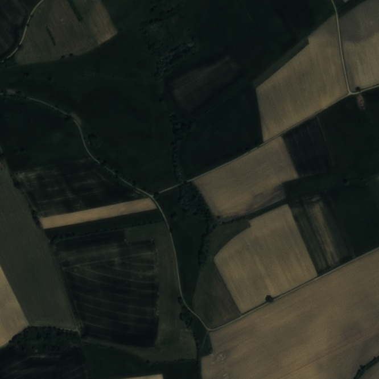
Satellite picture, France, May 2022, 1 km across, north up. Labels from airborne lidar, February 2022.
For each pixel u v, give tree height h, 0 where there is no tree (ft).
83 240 0
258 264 0
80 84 0
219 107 0
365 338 0
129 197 0
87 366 0
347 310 0
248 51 0
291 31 0
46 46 0
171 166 0
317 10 0
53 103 0
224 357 0
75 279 0
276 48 0
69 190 0
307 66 0
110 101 0
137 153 0
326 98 0
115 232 0
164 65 35
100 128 0
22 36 0
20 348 0
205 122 0
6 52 0
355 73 0
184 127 72
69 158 0
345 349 0
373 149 0
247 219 0
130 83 0
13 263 0
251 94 0
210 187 0
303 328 0
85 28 0
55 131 0
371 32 0
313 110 0
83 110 0
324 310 0
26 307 0
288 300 0
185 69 0
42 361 0
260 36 0
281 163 0
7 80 0
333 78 0
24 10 0
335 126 0
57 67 0
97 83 0
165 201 0
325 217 0
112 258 0
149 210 0
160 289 0
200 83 0
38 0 0
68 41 0
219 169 0
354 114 0
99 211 0
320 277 0
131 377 0
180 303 43
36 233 0
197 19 0
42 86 0
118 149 0
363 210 0
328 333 0
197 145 0
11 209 0
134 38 0
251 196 0
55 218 0
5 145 0
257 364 0
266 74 0
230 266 0
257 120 0
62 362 0
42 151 0
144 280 0
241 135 0
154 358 0
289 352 0
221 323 0
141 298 0
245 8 0
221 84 0
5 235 0
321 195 0
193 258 0
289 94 0
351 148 0
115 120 0
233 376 0
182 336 0
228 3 0
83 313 0
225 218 0
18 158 0
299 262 0
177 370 0
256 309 0
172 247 0
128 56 0
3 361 0
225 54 0
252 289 0
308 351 0
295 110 0
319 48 0
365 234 0
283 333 0
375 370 0
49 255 0
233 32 0
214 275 0
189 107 0
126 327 0
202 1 0
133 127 0
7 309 0
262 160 0
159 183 0
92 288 0
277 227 0
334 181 0
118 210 0
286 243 0
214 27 0
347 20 0
